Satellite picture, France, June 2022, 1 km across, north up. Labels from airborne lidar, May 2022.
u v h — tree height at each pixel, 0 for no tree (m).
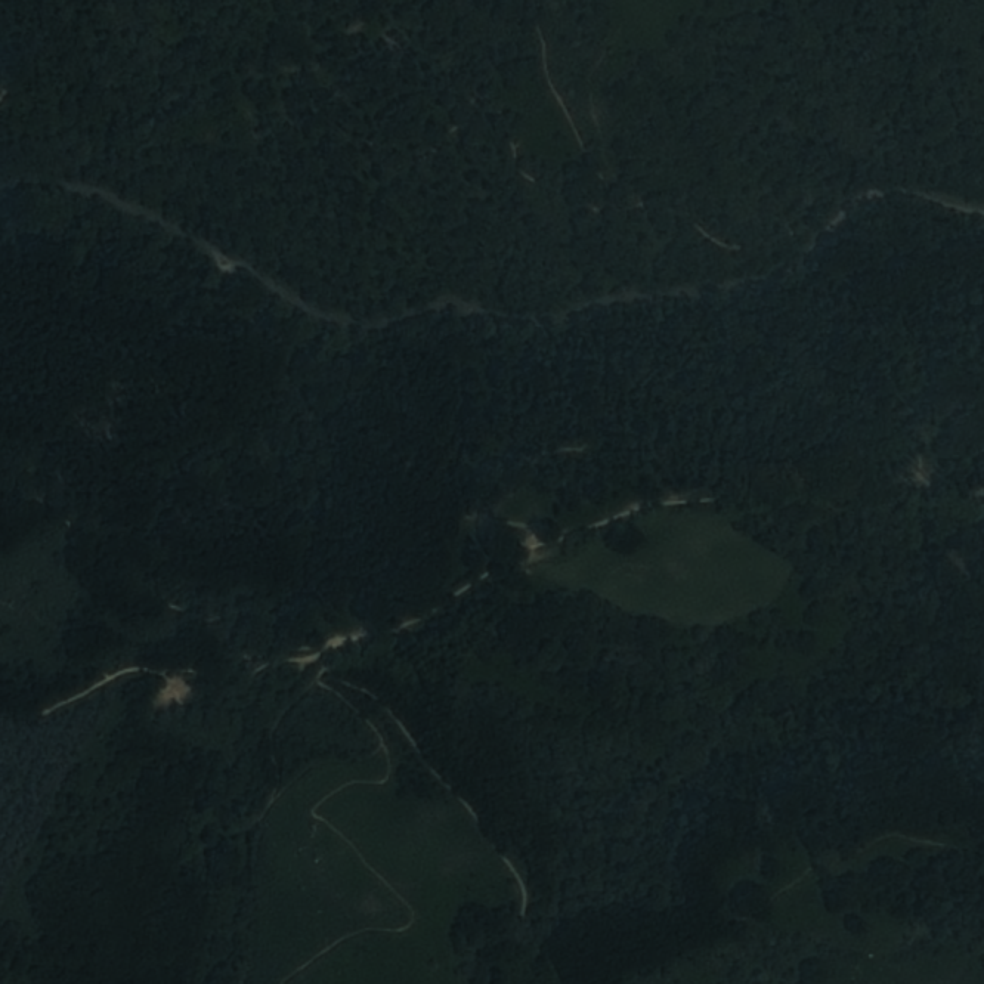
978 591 32
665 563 0
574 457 16
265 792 10
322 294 28
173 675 7
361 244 24
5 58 24
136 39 16
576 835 19
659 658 14
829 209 26
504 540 31
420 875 0
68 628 9
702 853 33
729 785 26
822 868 17
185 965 18
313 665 8
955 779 41
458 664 17
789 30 28
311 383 27
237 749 9
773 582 0
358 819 0
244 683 22
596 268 22
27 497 23
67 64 22
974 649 29
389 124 22
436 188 23
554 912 16
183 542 29
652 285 27
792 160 25
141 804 11
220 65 15
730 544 0
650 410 8
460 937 17
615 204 22
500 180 27
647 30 0
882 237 33
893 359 31
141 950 24
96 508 16
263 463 39
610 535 23
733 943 17
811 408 28
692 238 18
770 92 16
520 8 19
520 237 15
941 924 25
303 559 24
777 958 13
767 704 17
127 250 26
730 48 17
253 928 8
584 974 21
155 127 14
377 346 13
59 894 19
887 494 18
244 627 23
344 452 26
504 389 30
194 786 20
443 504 28
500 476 26
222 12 12
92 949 23
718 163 5
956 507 30
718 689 31
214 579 24
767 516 25
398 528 27
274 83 10
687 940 22
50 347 29
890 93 22
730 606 0
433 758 21
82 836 10
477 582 9
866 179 22
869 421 18
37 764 18
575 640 21
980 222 24
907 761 34
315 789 0
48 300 27
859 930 22
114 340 29
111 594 20
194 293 30
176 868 23
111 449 33
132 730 21
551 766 15
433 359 29
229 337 25
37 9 20
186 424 33
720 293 36
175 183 23
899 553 25
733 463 24
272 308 34
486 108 22
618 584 0
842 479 21
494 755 16
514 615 22
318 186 26
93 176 20
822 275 30
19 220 32
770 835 28
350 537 25
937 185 17
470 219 26
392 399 28
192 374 30
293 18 16
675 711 17
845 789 20
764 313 35
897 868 22
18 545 10
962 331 16
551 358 30
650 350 16
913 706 34
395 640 20
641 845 22
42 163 28
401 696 24
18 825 16
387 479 27
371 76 31
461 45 13
